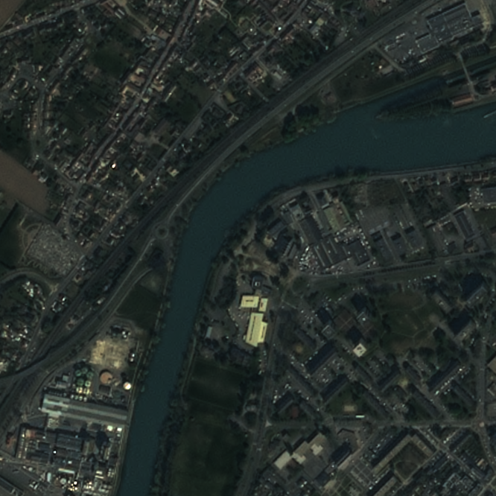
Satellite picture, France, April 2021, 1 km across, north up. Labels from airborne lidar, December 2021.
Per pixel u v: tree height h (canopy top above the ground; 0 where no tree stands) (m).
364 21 10
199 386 0
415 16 0
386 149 0
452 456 0
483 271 18
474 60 0
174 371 0
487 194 0
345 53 0
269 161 0
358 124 0
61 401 0
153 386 0
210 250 0
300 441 0
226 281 14
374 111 0
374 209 0
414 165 0
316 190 0
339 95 0
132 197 0
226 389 0
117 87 6
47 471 0
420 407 0
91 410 0
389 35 0
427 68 19
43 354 0
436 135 0
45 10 0
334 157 0
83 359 0
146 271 0
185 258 0
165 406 0
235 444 0
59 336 0
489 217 0
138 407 0
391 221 0
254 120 0
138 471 0
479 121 0
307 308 0
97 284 6
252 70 0
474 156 0
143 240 0
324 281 0
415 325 0
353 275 0
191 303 0
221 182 0
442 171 0
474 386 11
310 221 0
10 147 0
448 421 0
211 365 0
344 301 0
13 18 0
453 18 0
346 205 10
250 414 12
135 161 7
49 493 0
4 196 0
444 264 0
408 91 0
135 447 0
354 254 0
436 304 0
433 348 0
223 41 0
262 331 0
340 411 0
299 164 0
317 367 0
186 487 0
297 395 8
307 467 0
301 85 0
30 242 0
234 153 0
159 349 0
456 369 0
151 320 0
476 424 0
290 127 17
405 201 0
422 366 0
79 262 0
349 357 0
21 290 5
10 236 0
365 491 0
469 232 0
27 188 0
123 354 0
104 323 0
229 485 0
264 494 0
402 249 0
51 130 0
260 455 0
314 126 11
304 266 0
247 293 0
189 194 0
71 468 0
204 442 0
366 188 0
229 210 0
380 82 0
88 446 0
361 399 9
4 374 0
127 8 0
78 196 0
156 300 0
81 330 0
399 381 0
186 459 0
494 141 0
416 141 0
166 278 30
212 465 0
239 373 0
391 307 0
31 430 0
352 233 0
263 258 0
